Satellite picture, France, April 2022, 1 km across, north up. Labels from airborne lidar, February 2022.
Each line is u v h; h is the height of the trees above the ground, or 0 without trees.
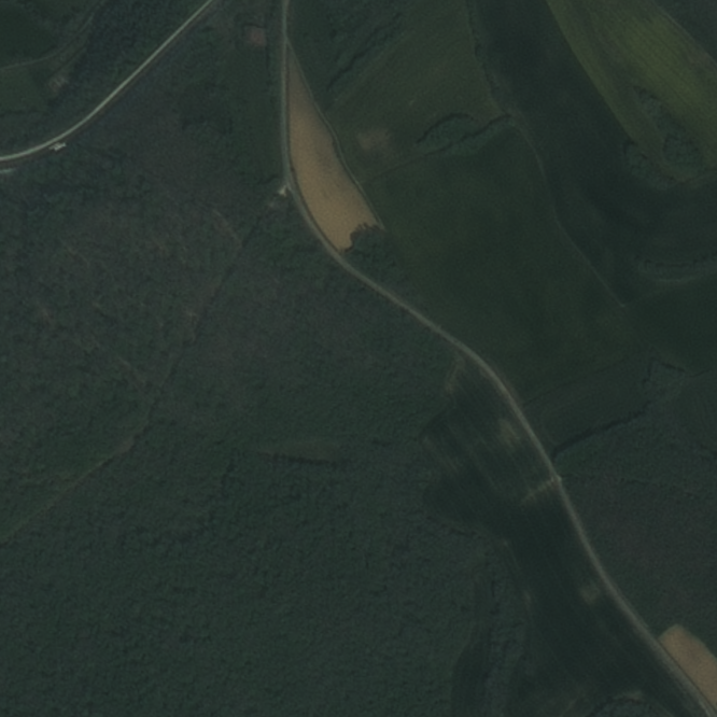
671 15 9
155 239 29
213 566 17
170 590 18
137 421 18
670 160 15
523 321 0
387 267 21
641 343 0
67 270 29
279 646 18
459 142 19
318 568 18
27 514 17
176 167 17
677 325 0
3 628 20
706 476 18
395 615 23
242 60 0
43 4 0
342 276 25
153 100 14
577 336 0
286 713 19
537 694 0
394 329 28
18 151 7
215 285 29
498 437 0
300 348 27
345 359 28
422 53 0
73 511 22
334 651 20
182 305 29
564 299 0
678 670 0
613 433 18
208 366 25
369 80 0
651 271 12
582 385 0
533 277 0
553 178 0
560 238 0
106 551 18
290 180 0
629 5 0
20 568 22
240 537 15
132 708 22
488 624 0
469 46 0
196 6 13
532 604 0
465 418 0
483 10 0
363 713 17
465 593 20
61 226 26
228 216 13
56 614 19
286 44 0
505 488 0
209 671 17
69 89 9
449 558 24
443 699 19
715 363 0
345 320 31
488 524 0
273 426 17
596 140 0
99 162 29
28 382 28
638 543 17
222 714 23
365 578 21
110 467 16
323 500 16
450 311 0
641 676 0
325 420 17
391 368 24
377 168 0
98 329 28
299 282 20
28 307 19
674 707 0
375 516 20
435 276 0
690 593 15
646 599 8
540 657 0
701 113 0
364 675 18
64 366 20
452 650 16
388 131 0
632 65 0
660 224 0
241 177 16
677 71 0
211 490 22
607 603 0
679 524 14
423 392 19
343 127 0
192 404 29
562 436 0
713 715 0
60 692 20
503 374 0
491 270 0
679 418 19
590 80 0
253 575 19
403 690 16
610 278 0
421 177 0
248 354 29
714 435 0
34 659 22
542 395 0
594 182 0
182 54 12
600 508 16
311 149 0
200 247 28
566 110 0
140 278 30
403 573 19
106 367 30
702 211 0
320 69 0
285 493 17
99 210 28
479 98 0
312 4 0
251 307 28
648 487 15
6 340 29
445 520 0
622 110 0
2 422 27
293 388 20
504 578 8
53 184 0
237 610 17
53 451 20
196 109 0
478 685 0
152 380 26
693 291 0
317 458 0
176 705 22
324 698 21
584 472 16
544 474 0
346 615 19
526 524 0
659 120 12
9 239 28
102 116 0
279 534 16
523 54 0
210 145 17
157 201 28
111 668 18
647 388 11
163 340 31
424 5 0
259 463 20
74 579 16
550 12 0
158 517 21
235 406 28
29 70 0
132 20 19
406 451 24
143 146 13
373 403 17
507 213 0
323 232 0
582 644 0
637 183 0
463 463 0
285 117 0
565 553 0
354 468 20
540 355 0
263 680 19
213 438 21
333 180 0
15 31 0
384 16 7
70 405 19
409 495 15
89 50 7
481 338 0
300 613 17
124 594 17
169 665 17
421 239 0
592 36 0
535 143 0
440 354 20
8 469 24
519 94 0
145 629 19
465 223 0
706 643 9
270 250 24
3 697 21
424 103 0
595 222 0
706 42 7
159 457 24
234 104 16
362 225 0
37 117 16
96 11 0
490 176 0
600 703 0
